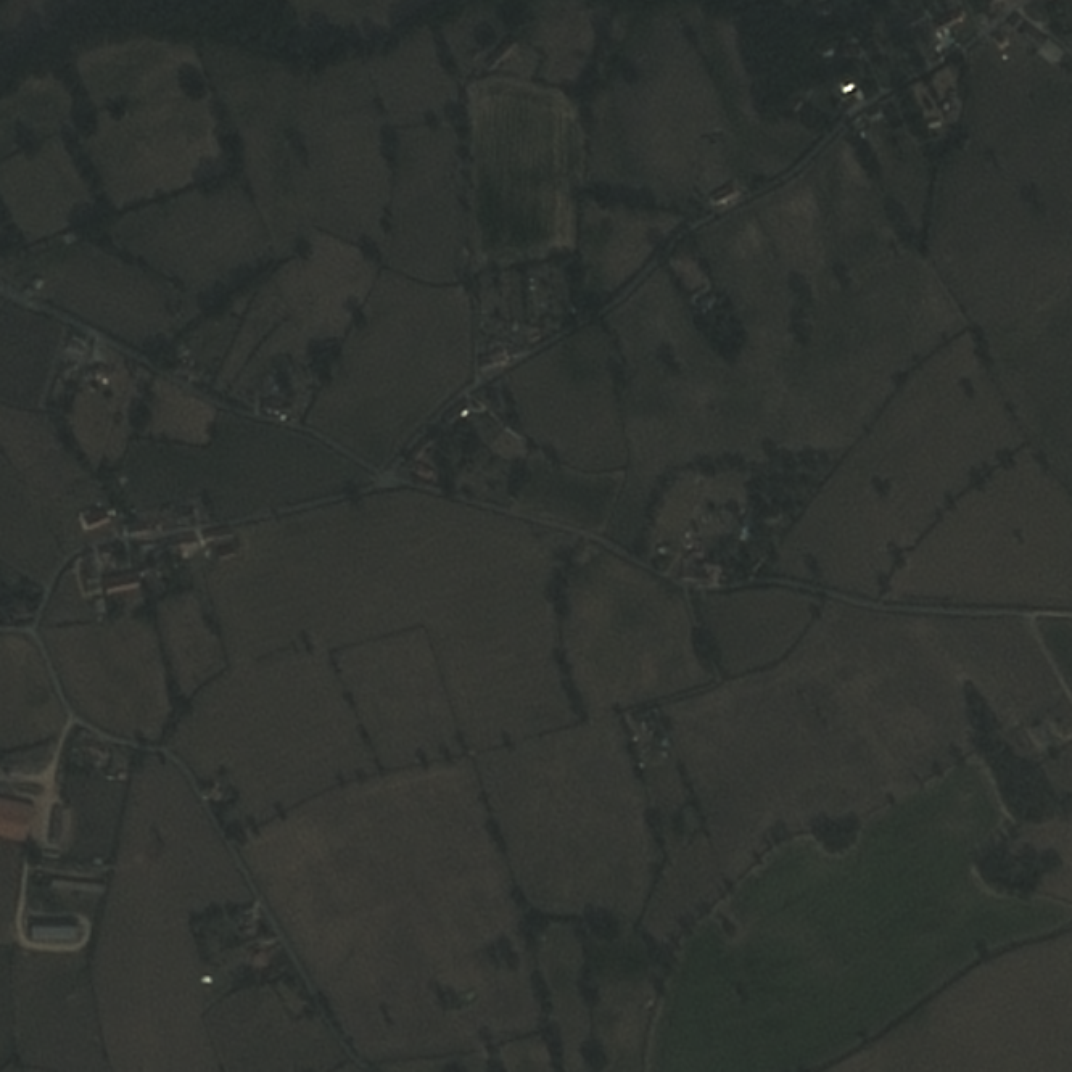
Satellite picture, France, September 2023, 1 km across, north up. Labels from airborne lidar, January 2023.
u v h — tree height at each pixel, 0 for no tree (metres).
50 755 0
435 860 0
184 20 28
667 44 0
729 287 0
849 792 0
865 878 0
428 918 0
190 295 0
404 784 0
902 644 0
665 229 0
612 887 0
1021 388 0
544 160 0
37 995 0
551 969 0
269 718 0
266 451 0
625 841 0
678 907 0
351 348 0
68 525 0
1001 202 0
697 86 0
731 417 0
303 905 0
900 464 0
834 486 0
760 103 20
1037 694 0
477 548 0
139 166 0
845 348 0
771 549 11
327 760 0
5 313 0
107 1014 0
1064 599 0
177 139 0
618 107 0
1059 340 0
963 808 0
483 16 0
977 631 0
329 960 0
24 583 7
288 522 0
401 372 0
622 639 0
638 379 0
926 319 0
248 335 0
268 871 0
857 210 0
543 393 0
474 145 0
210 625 11
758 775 0
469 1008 0
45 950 0
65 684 0
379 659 0
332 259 0
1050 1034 0
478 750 0
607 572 0
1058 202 0
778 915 0
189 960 0
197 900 0
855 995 0
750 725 0
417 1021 0
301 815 0
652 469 0
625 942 0
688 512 0
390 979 0
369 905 0
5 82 22
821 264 0
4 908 0
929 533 0
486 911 0
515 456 0
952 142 9
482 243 0
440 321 0
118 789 0
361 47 16
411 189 0
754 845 0
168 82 0
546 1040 16
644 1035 0
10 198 0
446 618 0
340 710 0
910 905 0
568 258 7
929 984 0
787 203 0
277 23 20
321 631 0
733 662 0
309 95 0
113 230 0
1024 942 0
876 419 0
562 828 0
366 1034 0
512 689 0
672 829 0
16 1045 0
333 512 0
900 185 0
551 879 0
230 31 22
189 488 0
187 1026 0
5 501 0
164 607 0
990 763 11
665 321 0
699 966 0
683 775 12
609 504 0
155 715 0
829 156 0
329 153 0
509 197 0
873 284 0
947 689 0
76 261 0
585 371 0
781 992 0
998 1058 0
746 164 0
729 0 11
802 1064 0
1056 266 0
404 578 0
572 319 11
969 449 0
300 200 0
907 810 0
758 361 0
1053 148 0
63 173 0
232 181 14
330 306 0
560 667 15
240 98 0
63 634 0
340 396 0
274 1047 0
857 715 0
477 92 0
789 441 0
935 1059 0
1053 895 0
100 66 0
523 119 0
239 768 0
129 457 0
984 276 0
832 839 14
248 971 10
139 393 11
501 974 0
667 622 0
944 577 0
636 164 0
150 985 0
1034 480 0
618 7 14
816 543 0
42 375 0
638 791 0
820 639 0
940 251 0
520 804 0
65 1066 0
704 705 0
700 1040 0
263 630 0
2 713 0
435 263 0
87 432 0
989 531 0
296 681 0
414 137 0
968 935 0
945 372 0
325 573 0
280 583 0
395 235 0
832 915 0
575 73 0
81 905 0
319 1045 0
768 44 18
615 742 0
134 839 0
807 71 15
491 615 0
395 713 0
